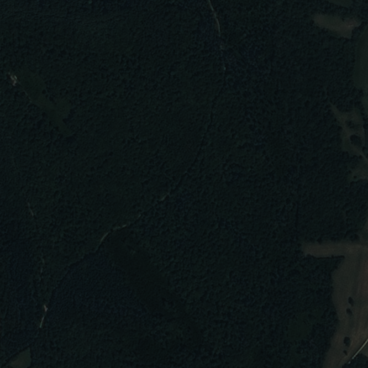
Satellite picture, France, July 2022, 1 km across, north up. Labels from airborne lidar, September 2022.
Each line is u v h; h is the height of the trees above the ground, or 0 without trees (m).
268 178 16
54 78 16
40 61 18
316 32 17
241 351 18
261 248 21
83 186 20
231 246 19
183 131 14
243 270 19
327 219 18
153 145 20
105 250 9
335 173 9
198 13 9
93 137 17
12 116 17
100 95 18
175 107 11
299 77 25
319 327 21
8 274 10
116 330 16
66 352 17
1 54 17
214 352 14
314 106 16
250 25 8
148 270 7
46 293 18
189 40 13
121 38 17
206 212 21
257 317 19
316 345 20
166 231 21
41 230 12
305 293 18
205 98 16
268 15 20
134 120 20
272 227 19
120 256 8
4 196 22
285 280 22
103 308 30
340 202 16
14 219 11
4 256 13
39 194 17
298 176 7
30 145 17
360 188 16
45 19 14
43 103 0
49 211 21
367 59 0
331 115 17
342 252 0
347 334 0
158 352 9
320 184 19
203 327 11
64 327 13
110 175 18
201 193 22
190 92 15
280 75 23
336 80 19
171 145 17
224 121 20
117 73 16
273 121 9
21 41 19
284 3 20
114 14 22
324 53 22
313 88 18
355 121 0
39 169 17
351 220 9
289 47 20
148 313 9
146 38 16
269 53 11
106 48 17
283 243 19
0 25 15
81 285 22
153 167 21
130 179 15
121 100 15
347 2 0
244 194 22
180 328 17
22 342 21
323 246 0
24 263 20
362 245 0
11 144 14
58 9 27
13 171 15
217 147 18
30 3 27
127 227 8
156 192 17
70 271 20
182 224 23
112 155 19
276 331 20
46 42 20
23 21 19
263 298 17
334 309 11
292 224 8
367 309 0
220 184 20
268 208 20
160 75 16
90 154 18
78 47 14
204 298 20
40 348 14
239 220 23
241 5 21
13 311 11
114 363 22
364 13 16
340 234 16
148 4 19
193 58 15
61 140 23
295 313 15
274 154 12
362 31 18
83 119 16
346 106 7
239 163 15
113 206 20
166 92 20
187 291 13
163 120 16
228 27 11
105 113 18
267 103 9
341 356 0
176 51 20
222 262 16
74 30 16
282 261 12
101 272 18
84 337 16
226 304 18
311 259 22
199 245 18
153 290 7
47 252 16
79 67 19
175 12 20
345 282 0
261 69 28
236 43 5
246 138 20
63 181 16
